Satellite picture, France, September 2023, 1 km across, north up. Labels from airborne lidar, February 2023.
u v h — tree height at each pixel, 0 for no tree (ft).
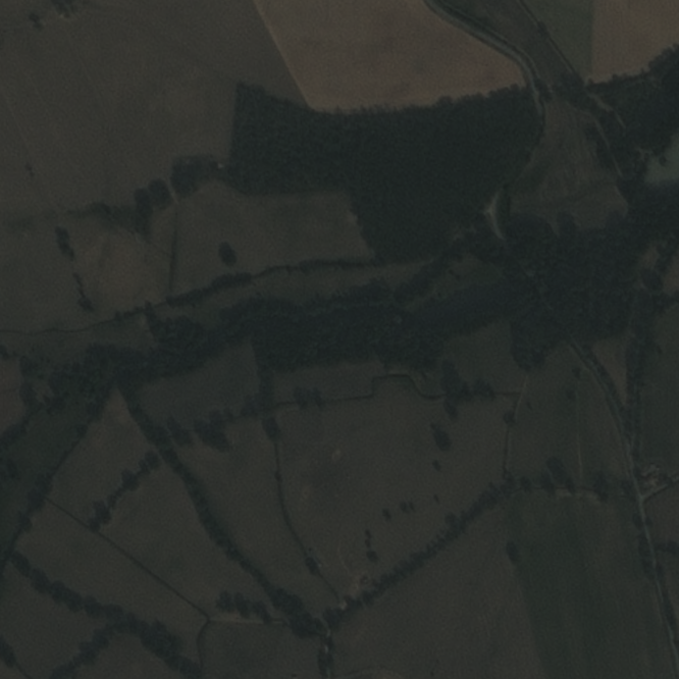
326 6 0
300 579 0
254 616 38
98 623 0
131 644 0
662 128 68
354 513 0
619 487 0
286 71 0
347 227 0
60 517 0
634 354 52
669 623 31
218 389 0
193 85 0
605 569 0
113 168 0
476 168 67
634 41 0
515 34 0
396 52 0
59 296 0
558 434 0
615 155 58
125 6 0
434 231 76
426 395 0
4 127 0
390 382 0
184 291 0
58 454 0
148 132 0
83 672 0
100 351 45
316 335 60
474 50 0
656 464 0
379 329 57
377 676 0
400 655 0
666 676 0
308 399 52
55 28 0
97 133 0
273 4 0
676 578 0
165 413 0
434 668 0
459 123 68
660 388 0
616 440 0
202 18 0
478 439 0
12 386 0
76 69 0
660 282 54
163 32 0
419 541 0
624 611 0
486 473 0
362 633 0
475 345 0
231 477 0
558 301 76
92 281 0
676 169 0
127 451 0
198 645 0
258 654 0
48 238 0
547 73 0
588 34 0
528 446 0
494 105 61
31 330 0
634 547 0
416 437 0
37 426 0
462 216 73
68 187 0
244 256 0
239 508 0
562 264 33
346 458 0
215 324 0
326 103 0
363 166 72
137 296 0
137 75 0
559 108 0
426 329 71
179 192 65
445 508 0
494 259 73
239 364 0
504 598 0
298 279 0
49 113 0
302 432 0
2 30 0
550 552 0
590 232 26
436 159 71
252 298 0
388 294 64
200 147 0
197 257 0
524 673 0
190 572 0
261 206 0
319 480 0
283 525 0
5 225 0
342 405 0
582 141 0
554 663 0
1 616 0
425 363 70
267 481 0
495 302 80
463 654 0
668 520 0
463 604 0
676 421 0
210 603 0
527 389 0
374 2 0
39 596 0
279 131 35
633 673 0
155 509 0
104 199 0
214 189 0
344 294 0
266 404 56
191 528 0
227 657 0
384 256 55
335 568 0
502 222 0
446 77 0
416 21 0
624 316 62
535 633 0
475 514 37
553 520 0
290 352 62
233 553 47
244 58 0
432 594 0
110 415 0
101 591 0
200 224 0
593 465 0
